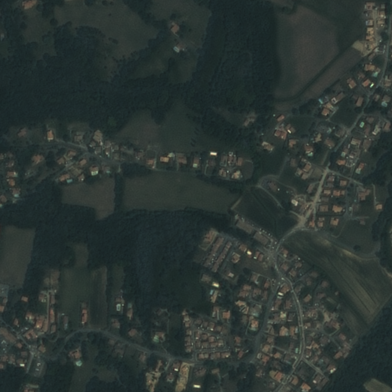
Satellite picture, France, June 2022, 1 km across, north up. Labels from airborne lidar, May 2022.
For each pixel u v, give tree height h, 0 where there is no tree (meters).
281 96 0
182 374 0
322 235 0
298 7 0
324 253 0
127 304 7
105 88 25
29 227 11
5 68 25
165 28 19
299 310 0
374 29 0
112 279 15
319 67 0
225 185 19
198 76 11
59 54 20
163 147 0
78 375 0
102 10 0
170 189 0
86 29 18
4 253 0
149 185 0
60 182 6
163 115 17
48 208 26
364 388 18
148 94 23
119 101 28
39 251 17
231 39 14
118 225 20
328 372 7
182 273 25
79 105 28
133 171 22
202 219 25
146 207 0
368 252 0
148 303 14
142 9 20
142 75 0
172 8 0
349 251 0
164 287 23
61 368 6
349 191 16
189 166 10
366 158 0
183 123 0
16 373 23
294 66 0
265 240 0
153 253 22
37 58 0
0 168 11
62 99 29
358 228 0
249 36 17
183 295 0
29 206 24
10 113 21
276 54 0
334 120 0
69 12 0
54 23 15
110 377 0
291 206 10
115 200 11
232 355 6
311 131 9
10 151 12
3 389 29
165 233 29
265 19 21
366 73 7
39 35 0
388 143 10
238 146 16
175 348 0
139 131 0
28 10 0
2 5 24
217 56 0
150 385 0
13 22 23
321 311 0
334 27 0
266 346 0
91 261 11
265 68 24
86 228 23
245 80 15
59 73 26
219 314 0
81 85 29
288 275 9
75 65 29
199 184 0
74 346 14
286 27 0
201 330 0
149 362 19
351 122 0
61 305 0
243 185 20
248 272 18
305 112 10
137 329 8
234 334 15
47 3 17
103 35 10
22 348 7
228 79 17
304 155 7
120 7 0
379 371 17
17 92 23
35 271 19
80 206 8
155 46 28
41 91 27
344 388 13
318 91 0
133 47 0
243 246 0
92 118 25
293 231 0
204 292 8
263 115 6
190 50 11
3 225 12
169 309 13
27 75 24
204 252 0
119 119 17
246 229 0
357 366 8
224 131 7
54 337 6
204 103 20
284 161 0
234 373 13
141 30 0
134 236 17
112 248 20
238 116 0
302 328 0
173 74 0
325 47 0
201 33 0
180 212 15
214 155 0
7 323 16
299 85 0
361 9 0
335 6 0
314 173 0
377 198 0
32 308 6
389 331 18
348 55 0
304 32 0
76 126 0
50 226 26
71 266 10
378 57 0
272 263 0
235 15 26
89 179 18
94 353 0
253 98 15
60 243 20
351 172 0
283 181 0
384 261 18
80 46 24
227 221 13
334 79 0
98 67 7
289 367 12
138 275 24
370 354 17
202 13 0
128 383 28
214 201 0
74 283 0
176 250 24
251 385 20
